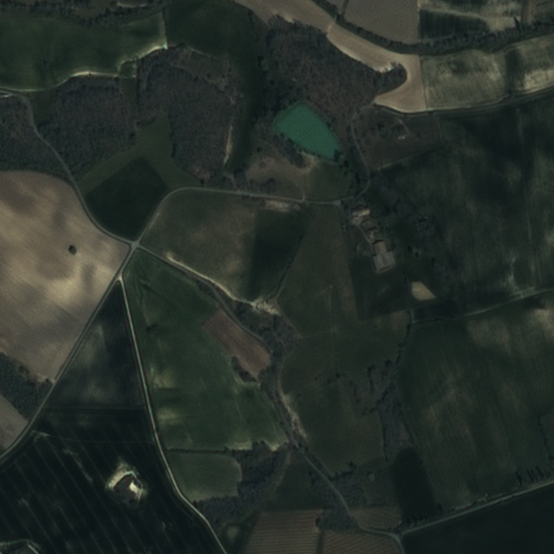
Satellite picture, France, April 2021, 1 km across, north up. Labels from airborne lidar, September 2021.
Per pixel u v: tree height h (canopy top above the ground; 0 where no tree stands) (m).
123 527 0
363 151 8
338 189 0
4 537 0
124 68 0
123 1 0
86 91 11
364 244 0
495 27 0
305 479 0
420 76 0
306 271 0
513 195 0
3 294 0
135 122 9
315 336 0
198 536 0
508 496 0
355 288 0
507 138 0
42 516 0
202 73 0
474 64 0
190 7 0
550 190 0
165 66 10
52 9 13
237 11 0
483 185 0
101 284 0
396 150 0
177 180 0
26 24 0
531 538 0
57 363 0
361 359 0
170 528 0
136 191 0
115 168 0
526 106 0
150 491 0
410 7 0
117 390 0
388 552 0
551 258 0
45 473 0
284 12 0
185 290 0
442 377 0
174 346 0
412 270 0
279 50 14
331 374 0
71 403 0
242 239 0
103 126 13
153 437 0
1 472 0
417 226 16
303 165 13
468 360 0
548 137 0
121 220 0
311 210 0
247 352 0
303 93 13
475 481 0
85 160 15
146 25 0
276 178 0
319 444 0
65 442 0
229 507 21
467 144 0
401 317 0
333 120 12
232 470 0
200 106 13
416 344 0
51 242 0
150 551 0
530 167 0
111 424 0
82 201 0
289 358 9
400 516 0
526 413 0
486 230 0
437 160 0
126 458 0
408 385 0
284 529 0
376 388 16
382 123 0
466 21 0
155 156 0
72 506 0
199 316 0
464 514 0
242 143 0
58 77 0
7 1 0
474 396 0
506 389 0
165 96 12
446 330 0
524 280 0
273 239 0
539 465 0
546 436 5
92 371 0
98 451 0
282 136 7
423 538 0
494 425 0
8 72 0
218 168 15
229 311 0
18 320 0
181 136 17
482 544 0
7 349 0
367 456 0
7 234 0
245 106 0
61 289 0
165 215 0
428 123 0
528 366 0
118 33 0
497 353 0
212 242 0
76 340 0
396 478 0
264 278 0
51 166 12
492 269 0
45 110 0
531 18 0
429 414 0
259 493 20
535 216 0
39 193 0
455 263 0
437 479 0
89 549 0
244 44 0
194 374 0
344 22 12
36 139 12
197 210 0
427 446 0
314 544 0
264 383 15
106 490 0
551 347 0
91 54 0
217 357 0
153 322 0
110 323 0
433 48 9
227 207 0
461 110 0
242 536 0
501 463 0
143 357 0
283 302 0
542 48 0
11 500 0
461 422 0
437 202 0
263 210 0
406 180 0
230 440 0
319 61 13
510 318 0
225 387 0
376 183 16
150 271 0
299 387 0
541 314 0
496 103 0
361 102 9
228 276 0
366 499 17
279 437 0
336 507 16
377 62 0
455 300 0
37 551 0
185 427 0
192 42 0
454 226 0
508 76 0
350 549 0
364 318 0
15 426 0
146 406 0
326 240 0
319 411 0
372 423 0
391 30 0
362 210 0
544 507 0
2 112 12
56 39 0
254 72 0
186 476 0
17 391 15
